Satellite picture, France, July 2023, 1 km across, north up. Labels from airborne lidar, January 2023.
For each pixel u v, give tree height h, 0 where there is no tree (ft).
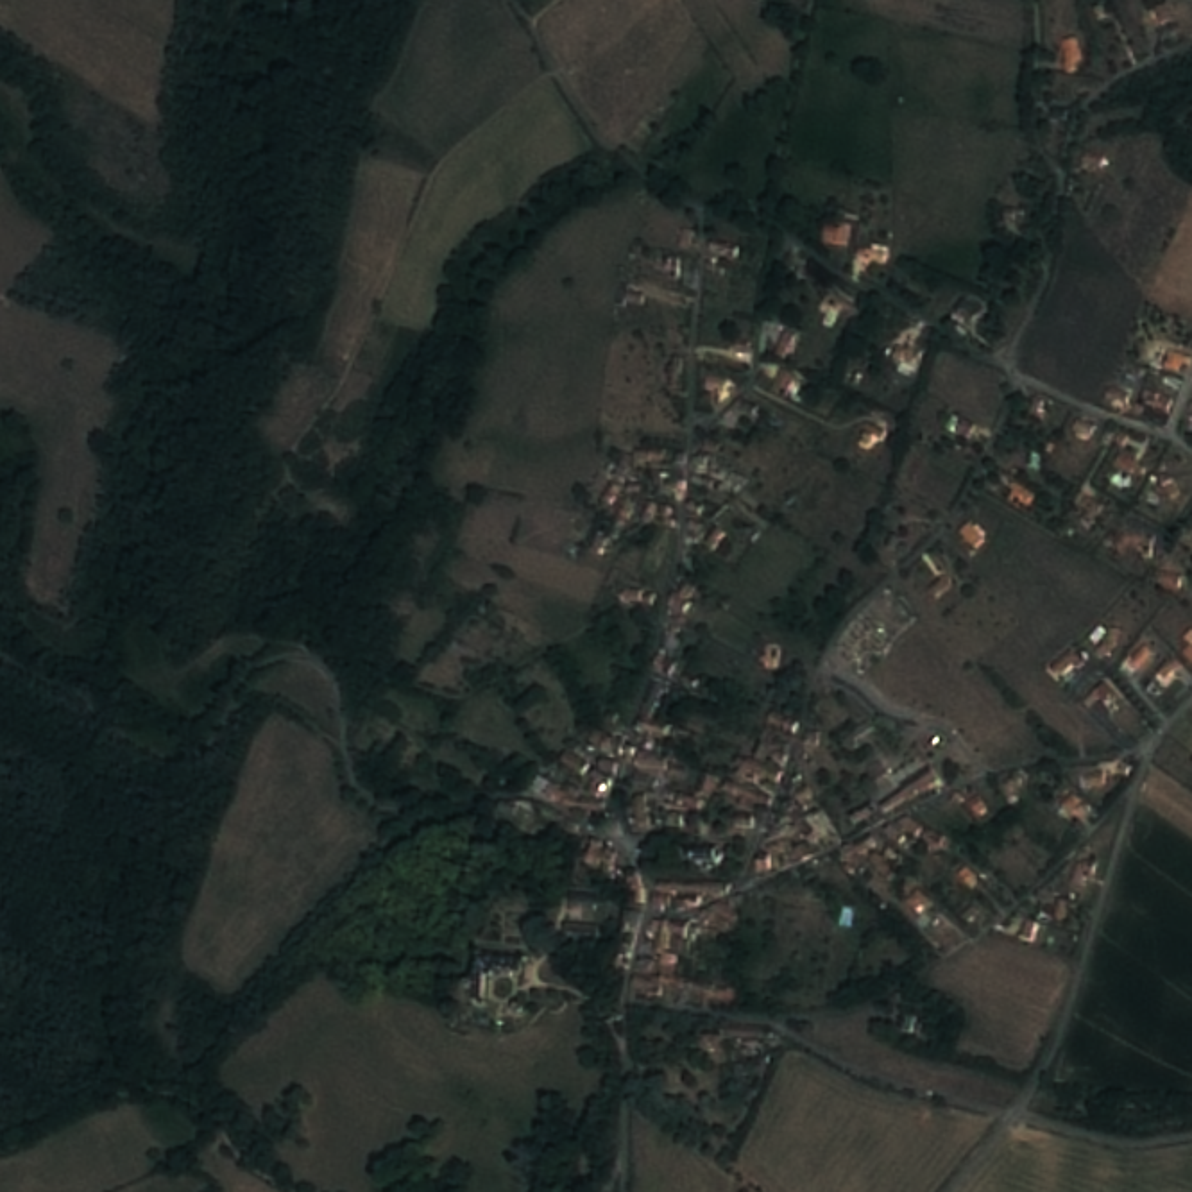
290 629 74
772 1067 20
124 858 96
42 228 0
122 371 45
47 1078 67
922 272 38
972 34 0
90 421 0
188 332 102
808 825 0
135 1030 59
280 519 24
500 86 0
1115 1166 0
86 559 50
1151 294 0
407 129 0
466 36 0
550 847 65
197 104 50
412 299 0
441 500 38
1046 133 31
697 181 0
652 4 0
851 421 0
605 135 0
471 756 38
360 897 65
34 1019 41
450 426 54
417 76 0
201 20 52
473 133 0
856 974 20
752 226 66
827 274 24
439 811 53
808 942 0
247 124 107
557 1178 93
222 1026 47
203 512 41
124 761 84
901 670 0
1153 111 32
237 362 46
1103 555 0
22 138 0
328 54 59
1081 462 0
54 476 0
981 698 0
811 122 0
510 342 0
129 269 67
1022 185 41
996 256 79
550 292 0
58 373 0
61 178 33
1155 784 0
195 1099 65
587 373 0
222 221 73
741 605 0
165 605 53
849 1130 0
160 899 50
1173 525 0
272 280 26
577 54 0
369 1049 0
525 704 42
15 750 43
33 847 50
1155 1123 26
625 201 0
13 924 55
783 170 58
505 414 0
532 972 0
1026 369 0
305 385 0
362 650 45
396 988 53
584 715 42
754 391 0
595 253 0
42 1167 0
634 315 0
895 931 21
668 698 26
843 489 0
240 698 47
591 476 0
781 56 0
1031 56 37
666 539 0
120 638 41
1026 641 0
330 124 41
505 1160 0
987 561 0
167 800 111
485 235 41
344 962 65
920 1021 20
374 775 34
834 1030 0
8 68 43
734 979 21
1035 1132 0
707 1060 45
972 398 0
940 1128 0
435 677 0
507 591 0
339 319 0
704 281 0
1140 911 0
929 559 0
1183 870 0
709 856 0
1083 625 0
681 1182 0
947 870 0
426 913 53
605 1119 33
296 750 0
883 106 0
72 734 70
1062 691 0
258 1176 22
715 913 0
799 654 0
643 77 0
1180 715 0
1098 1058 0
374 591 47
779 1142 0
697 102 0
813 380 31
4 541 71
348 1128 0
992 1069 33
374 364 0
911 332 0
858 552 31
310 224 29
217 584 33
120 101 0
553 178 24
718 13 0
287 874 0
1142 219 0
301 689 0
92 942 66
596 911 0
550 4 0
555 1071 0
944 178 0
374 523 23
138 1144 0
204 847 57
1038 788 20
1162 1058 0
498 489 0
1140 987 0
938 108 0
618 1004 48
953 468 0
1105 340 0
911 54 0
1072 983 0
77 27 0
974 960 0
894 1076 0
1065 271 0
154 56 0
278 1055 0
